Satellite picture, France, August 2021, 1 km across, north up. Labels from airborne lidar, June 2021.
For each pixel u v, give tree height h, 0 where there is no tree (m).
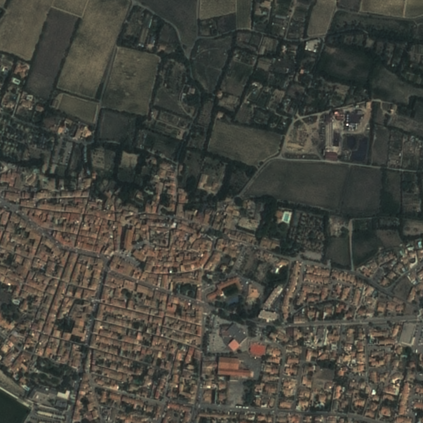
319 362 11
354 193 0
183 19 0
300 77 9
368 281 8
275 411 0
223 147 0
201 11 0
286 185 0
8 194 0
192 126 8
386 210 7
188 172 0
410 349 8
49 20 0
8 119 11
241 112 0
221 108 9
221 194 11
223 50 0
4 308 12
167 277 0
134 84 0
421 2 0
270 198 21
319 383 0
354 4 0
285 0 0
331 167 0
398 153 0
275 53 6
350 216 6
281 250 6
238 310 10
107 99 0
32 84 0
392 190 0
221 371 0
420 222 0
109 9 0
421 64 7
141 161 10
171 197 0
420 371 6
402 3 0
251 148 0
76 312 0
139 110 0
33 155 0
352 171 0
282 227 13
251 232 12
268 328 12
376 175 0
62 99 0
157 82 6
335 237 8
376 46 8
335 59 0
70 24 0
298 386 0
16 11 0
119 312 0
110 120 0
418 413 6
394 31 6
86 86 0
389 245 0
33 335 0
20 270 0
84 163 7
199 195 6
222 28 0
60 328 6
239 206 16
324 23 0
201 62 0
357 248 0
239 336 0
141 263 12
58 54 0
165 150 0
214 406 0
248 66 0
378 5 0
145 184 6
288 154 0
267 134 0
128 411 9
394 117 0
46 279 0
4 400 0
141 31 0
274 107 0
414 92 0
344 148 0
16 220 0
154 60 0
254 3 11
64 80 0
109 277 0
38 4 0
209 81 0
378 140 0
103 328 0
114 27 0
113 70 0
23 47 0
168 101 0
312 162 0
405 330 0
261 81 7
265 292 7
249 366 0
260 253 0
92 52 0
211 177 0
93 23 0
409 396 0
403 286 0
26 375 14
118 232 0
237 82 0
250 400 14
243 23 0
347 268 8
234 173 6
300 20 0
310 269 0
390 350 0
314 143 0
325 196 0
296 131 0
